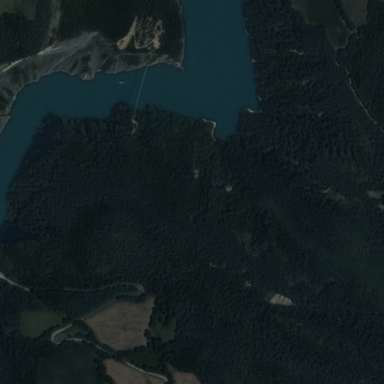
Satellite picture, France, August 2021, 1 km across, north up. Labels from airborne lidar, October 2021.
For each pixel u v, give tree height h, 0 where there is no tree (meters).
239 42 0
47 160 8
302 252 19
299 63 7
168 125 7
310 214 15
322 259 8
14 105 0
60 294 16
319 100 10
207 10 0
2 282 11
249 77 0
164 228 13
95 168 16
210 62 0
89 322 0
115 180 14
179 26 11
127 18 15
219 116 0
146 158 13
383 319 15
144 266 18
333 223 9
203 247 23
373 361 19
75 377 0
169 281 26
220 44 0
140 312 0
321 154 12
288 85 7
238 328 17
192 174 8
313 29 14
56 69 0
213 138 7
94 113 0
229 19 0
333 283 10
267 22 18
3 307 19
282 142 16
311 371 8
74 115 0
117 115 11
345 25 0
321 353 12
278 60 15
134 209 17
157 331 0
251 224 11
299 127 25
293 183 28
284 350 21
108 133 17
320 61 6
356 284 8
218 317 21
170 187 15
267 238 13
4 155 0
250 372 14
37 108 0
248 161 6
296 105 8
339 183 11
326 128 12
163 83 0
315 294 19
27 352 17
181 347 19
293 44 9
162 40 13
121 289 15
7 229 17
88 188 13
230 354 12
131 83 0
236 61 0
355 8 0
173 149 9
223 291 14
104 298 15
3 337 24
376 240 11
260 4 21
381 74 15
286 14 25
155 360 0
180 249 14
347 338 26
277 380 13
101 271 9
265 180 14
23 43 14
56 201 14
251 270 20
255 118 17
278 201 12
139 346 0
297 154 6
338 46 0
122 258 12
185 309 19
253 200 13
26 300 19
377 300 7
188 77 0
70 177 15
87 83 0
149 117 7
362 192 15
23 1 0
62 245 16
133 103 0
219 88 0
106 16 17
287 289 22
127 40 0
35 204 13
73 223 15
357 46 13
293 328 6
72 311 16
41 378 0
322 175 8
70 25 13
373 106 13
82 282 15
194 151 8
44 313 0
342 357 10
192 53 0
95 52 0
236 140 21
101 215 17
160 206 14
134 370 0
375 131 13
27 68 0
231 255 22
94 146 13
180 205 14
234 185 7
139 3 12
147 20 9
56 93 0
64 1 11
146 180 10
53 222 13
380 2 9
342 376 16
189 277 23
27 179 10
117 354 14
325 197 22
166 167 13
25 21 11
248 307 12
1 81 0
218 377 14
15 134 0
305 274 11
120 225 7
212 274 15
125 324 0
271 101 26
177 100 0
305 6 0
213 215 11
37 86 0
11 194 9
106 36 7
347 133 10
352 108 12
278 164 22
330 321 31
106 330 0
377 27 22
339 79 13
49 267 16
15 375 16
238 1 0
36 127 0
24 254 8
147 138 12
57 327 8
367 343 24
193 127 8
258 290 11
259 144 22
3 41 9
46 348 22
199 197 8
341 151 23
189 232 20
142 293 0
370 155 8
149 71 0
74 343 12
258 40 18
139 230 15
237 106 0
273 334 15
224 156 12
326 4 0
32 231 15
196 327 10
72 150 14
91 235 15
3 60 10
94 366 0
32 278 13
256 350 12
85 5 16
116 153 23
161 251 21
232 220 15
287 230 6
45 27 5
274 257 19
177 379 0
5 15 15
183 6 0
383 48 18
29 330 0
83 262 23
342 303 21
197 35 0
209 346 12
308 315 19
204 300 13
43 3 7
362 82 15
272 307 12
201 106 0
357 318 23
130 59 9
